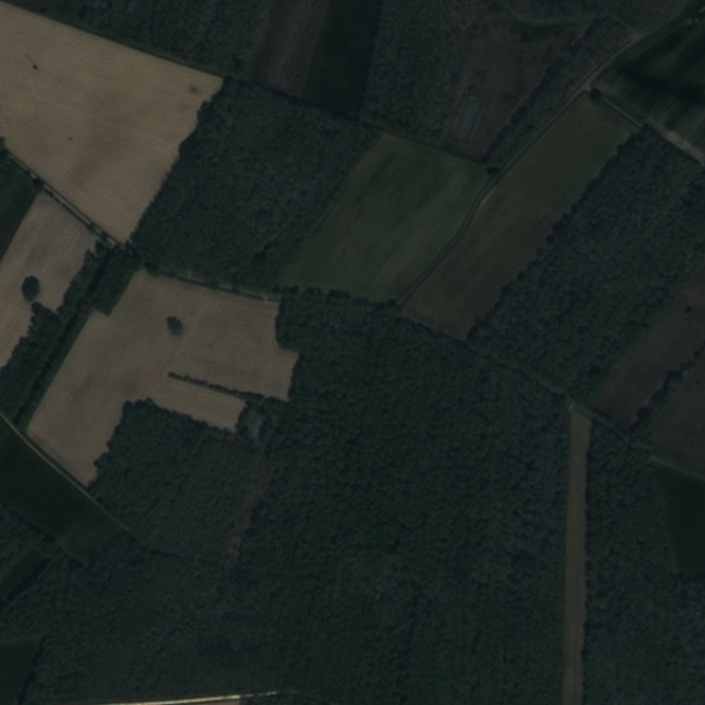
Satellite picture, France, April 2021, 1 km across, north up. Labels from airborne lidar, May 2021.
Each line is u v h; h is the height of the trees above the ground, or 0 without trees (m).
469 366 23
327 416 19
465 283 0
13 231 0
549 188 0
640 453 14
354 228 0
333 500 22
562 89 16
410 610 18
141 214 0
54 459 0
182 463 23
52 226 0
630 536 19
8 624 14
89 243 0
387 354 19
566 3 9
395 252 0
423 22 20
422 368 22
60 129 0
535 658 20
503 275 0
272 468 13
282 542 19
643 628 19
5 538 16
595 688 11
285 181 22
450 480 22
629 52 0
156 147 0
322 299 14
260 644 19
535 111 19
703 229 16
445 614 22
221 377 0
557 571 15
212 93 0
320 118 13
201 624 18
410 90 18
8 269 0
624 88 0
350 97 0
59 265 0
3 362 0
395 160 0
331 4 0
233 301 0
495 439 16
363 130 18
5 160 19
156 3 8
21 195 0
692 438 0
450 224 0
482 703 21
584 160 0
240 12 21
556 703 13
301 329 21
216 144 19
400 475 21
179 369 0
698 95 0
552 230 0
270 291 12
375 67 17
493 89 0
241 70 24
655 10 14
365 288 0
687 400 0
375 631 17
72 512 0
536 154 0
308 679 18
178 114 0
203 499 9
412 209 0
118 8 16
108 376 0
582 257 19
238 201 20
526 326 19
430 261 0
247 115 18
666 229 18
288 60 0
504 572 25
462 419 21
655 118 0
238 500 10
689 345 0
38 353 18
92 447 0
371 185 0
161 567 18
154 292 0
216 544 11
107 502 15
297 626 18
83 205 0
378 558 23
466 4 14
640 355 0
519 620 23
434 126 17
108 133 0
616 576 12
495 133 0
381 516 21
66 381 0
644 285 18
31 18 0
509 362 15
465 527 21
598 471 17
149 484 22
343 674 16
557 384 17
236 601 20
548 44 0
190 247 24
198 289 0
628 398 0
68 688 16
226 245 20
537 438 16
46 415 0
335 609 16
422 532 18
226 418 0
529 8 15
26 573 0
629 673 16
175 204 21
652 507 21
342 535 18
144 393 0
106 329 0
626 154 17
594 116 0
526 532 14
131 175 0
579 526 0
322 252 0
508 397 19
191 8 16
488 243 0
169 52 11
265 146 19
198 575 16
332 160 16
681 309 0
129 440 18
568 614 0
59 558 18
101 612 23
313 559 20
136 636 20
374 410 18
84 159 0
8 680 0
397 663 17
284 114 19
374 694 19
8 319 0
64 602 15
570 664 0
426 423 23
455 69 13
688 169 21
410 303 0
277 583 22
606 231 22
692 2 0
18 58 0
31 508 0
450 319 0
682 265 14
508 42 0
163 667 18
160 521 23
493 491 16
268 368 0
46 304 0
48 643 17
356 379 23
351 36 0
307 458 21
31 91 0
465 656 19
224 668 19
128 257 14
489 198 0
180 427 18
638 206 16
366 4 0
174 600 21
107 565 22
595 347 19
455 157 0
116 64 0
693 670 21
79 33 0
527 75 0
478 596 16
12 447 0
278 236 19
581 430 0
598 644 19
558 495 8
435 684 21
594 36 17
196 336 0
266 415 16
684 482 0
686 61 0
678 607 19
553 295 18
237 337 0
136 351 0
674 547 0
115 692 13
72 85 0
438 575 20
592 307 19
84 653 20
